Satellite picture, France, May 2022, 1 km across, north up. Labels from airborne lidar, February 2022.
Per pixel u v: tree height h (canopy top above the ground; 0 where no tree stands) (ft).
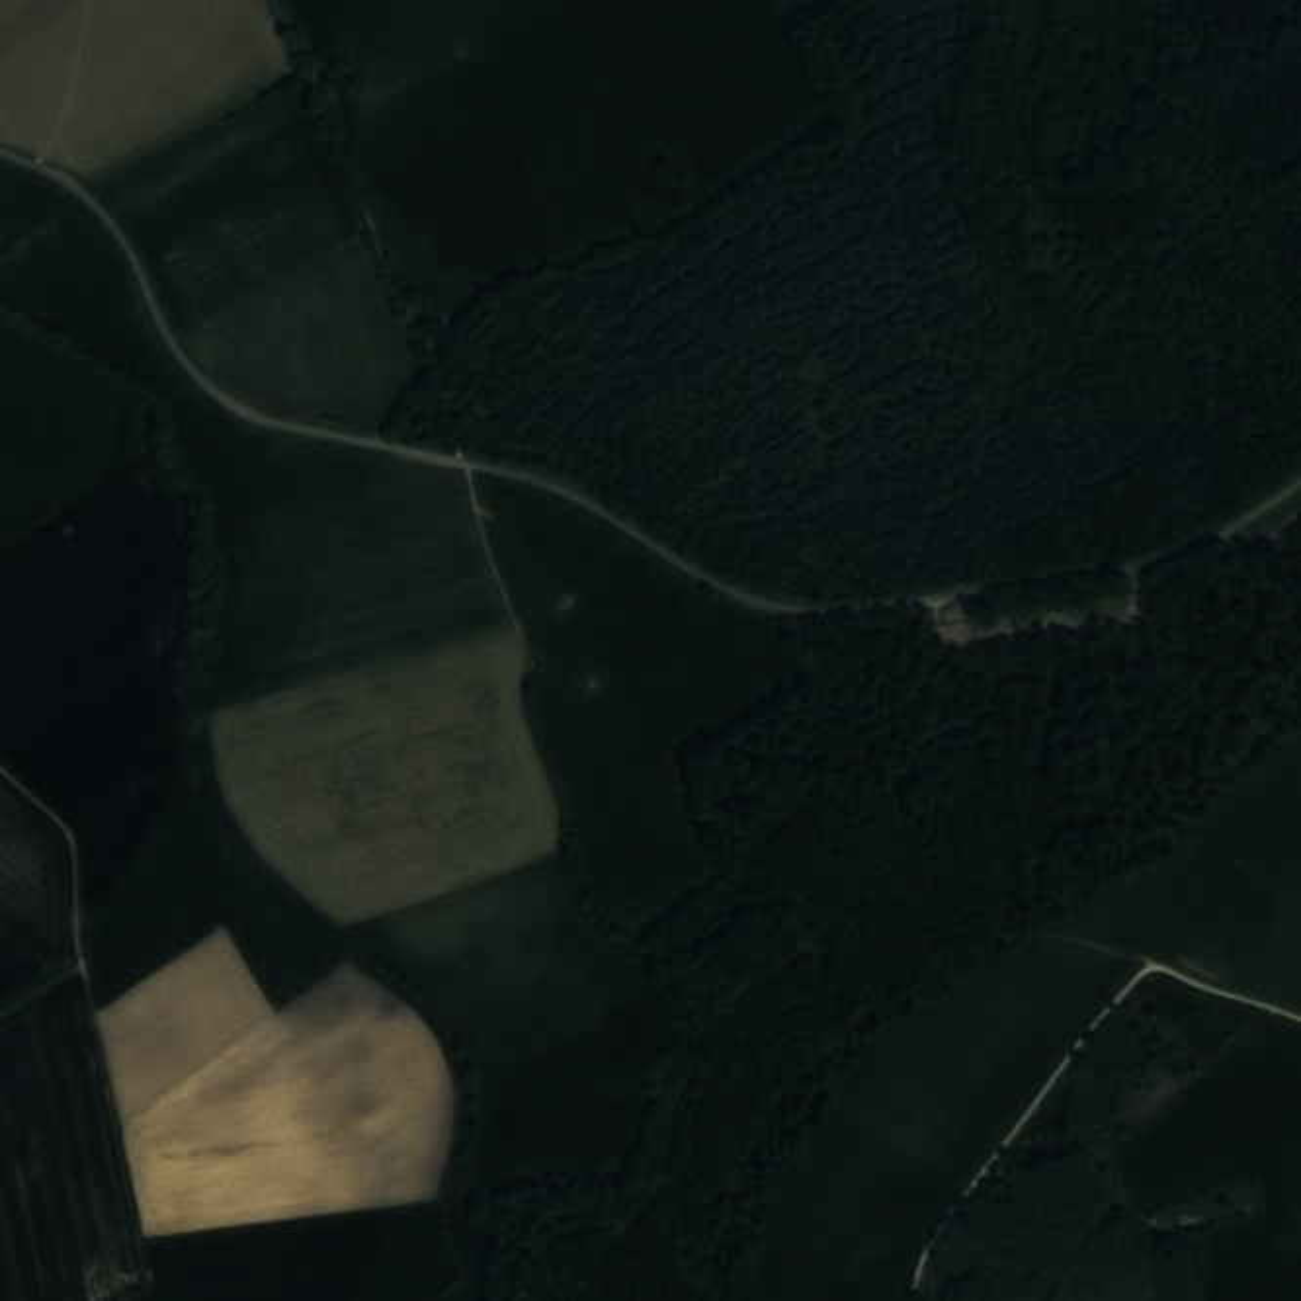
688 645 0
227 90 0
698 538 31
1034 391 22
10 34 0
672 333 33
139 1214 0
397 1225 0
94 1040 0
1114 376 32
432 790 0
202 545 71
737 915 85
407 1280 0
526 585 0
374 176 0
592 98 0
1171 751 18
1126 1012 28
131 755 0
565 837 21
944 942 56
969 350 27
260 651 0
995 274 30
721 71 0
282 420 0
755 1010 30
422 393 46
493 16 0
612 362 24
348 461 0
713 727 0
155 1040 0
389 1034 0
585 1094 0
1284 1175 0
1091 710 96
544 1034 0
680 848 0
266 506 0
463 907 0
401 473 0
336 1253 0
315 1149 0
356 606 0
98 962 0
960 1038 0
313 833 0
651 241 20
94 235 0
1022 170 44
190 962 0
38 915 0
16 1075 0
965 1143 0
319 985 0
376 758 0
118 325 0
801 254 42
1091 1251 71
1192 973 0
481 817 0
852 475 43
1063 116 90
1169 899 0
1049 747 90
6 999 0
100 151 0
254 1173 0
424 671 0
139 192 0
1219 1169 0
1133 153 93
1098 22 85
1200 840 0
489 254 0
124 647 0
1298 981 0
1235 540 0
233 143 0
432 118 0
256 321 0
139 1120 0
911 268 32
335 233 0
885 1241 0
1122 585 70
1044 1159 53
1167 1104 0
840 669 61
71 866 0
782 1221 0
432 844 0
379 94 0
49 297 0
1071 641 54
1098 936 0
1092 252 46
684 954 83
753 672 0
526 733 0
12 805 0
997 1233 64
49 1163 0
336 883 0
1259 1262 0
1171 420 36
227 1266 0
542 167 0
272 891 0
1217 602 96
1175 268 30
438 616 0
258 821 0
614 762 0
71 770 0
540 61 0
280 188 0
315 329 0
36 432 0
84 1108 0
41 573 0
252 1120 0
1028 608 63
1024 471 37
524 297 20
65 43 0
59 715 0
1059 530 45
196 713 50
